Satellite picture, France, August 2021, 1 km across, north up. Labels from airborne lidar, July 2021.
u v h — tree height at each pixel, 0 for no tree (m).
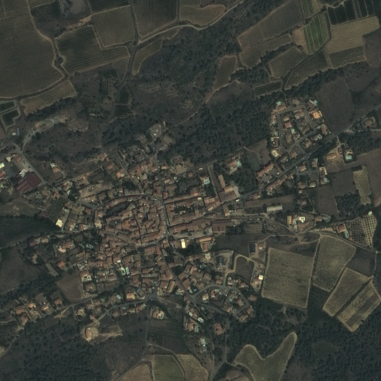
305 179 12
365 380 12
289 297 0
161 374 0
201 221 0
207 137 15
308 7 0
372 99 0
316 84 8
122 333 0
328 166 0
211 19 0
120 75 0
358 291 0
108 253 0
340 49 0
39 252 0
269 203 0
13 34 0
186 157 14
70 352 11
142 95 0
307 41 0
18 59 0
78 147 0
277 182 0
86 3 0
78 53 0
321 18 0
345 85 0
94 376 12
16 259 0
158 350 0
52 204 0
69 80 0
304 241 0
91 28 0
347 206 9
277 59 0
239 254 0
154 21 0
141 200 0
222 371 6
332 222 7
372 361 9
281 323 16
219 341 7
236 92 0
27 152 10
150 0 0
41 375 11
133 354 0
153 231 0
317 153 7
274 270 0
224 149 14
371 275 0
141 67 0
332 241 0
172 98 0
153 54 0
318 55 0
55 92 0
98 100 0
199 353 6
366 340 6
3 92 0
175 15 0
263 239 0
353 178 0
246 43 0
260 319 12
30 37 0
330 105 0
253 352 0
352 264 0
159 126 0
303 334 12
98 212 0
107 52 0
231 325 13
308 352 13
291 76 0
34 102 0
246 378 0
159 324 0
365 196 0
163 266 0
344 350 7
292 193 6
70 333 11
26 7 0
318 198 0
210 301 8
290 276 0
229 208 10
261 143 0
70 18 0
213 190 10
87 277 0
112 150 0
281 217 8
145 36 0
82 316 9
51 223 10
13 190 0
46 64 0
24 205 0
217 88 0
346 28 0
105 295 9
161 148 0
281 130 0
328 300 0
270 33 0
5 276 0
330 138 0
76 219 0
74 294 0
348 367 11
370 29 0
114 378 0
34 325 9
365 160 0
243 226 9
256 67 7
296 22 0
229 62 0
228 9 0
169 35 0
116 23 0
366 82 0
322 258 0
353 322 0
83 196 0
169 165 15
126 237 0
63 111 0
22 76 0
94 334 0
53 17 0
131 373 0
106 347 0
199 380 0
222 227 0
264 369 0
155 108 7
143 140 0
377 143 8
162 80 6
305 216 0
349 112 0
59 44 0
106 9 0
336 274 0
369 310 0
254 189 10
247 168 9
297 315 11
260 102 9
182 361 0
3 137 0
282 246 0
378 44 0
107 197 7
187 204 0
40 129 0
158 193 0
